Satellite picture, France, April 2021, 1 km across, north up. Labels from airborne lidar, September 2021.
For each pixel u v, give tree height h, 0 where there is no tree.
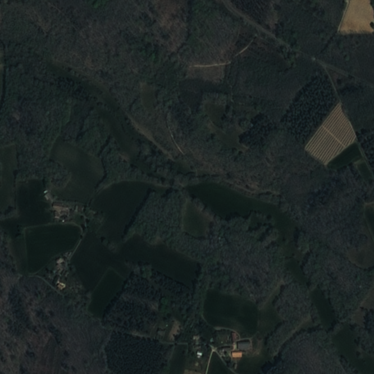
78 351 26
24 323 30
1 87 0
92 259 0
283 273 17
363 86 19
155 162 28
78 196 0
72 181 0
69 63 13
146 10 20
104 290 0
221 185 12
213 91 6
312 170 10
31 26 18
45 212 0
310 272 23
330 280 24
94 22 14
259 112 19
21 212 0
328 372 24
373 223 0
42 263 0
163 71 11
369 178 0
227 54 8
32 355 7
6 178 0
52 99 19
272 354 19
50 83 11
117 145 17
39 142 20
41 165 14
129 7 21
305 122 19
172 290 18
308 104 11
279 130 19
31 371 9
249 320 0
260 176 15
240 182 15
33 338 8
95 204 0
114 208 0
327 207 33
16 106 19
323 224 26
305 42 18
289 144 20
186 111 25
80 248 0
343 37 17
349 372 24
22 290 17
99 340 14
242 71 9
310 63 18
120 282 0
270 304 0
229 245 25
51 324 17
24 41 20
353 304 28
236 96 6
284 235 0
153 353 19
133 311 21
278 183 17
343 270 19
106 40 20
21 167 14
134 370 19
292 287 26
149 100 0
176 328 0
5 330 20
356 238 18
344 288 24
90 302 12
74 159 0
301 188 16
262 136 22
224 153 10
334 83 7
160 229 21
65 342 15
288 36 15
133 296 17
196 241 19
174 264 0
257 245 20
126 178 21
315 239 19
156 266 0
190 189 0
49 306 11
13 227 0
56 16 16
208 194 0
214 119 0
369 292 14
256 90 14
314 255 25
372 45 15
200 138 18
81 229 0
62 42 16
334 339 0
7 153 0
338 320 13
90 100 23
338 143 0
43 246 0
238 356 0
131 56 24
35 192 0
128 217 0
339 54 16
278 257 24
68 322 17
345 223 21
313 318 20
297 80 16
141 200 0
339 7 17
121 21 21
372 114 19
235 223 26
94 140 19
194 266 0
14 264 22
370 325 22
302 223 20
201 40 25
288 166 17
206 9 31
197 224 0
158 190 0
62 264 8
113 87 11
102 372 19
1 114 16
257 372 0
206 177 13
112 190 0
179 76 15
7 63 9
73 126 18
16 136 17
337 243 23
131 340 20
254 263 20
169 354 18
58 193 0
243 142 23
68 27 11
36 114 18
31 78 16
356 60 15
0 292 17
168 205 28
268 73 11
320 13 16
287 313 21
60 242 0
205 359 11
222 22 18
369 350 16
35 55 8
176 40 16
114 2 18
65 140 14
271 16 27
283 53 22
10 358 15
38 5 17
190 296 14
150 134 0
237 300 0
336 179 15
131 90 10
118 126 0
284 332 22
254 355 0
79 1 17
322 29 15
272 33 10
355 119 15
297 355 21
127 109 13
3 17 13
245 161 17
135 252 0
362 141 19
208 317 0
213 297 0
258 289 26
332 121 0
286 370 23
